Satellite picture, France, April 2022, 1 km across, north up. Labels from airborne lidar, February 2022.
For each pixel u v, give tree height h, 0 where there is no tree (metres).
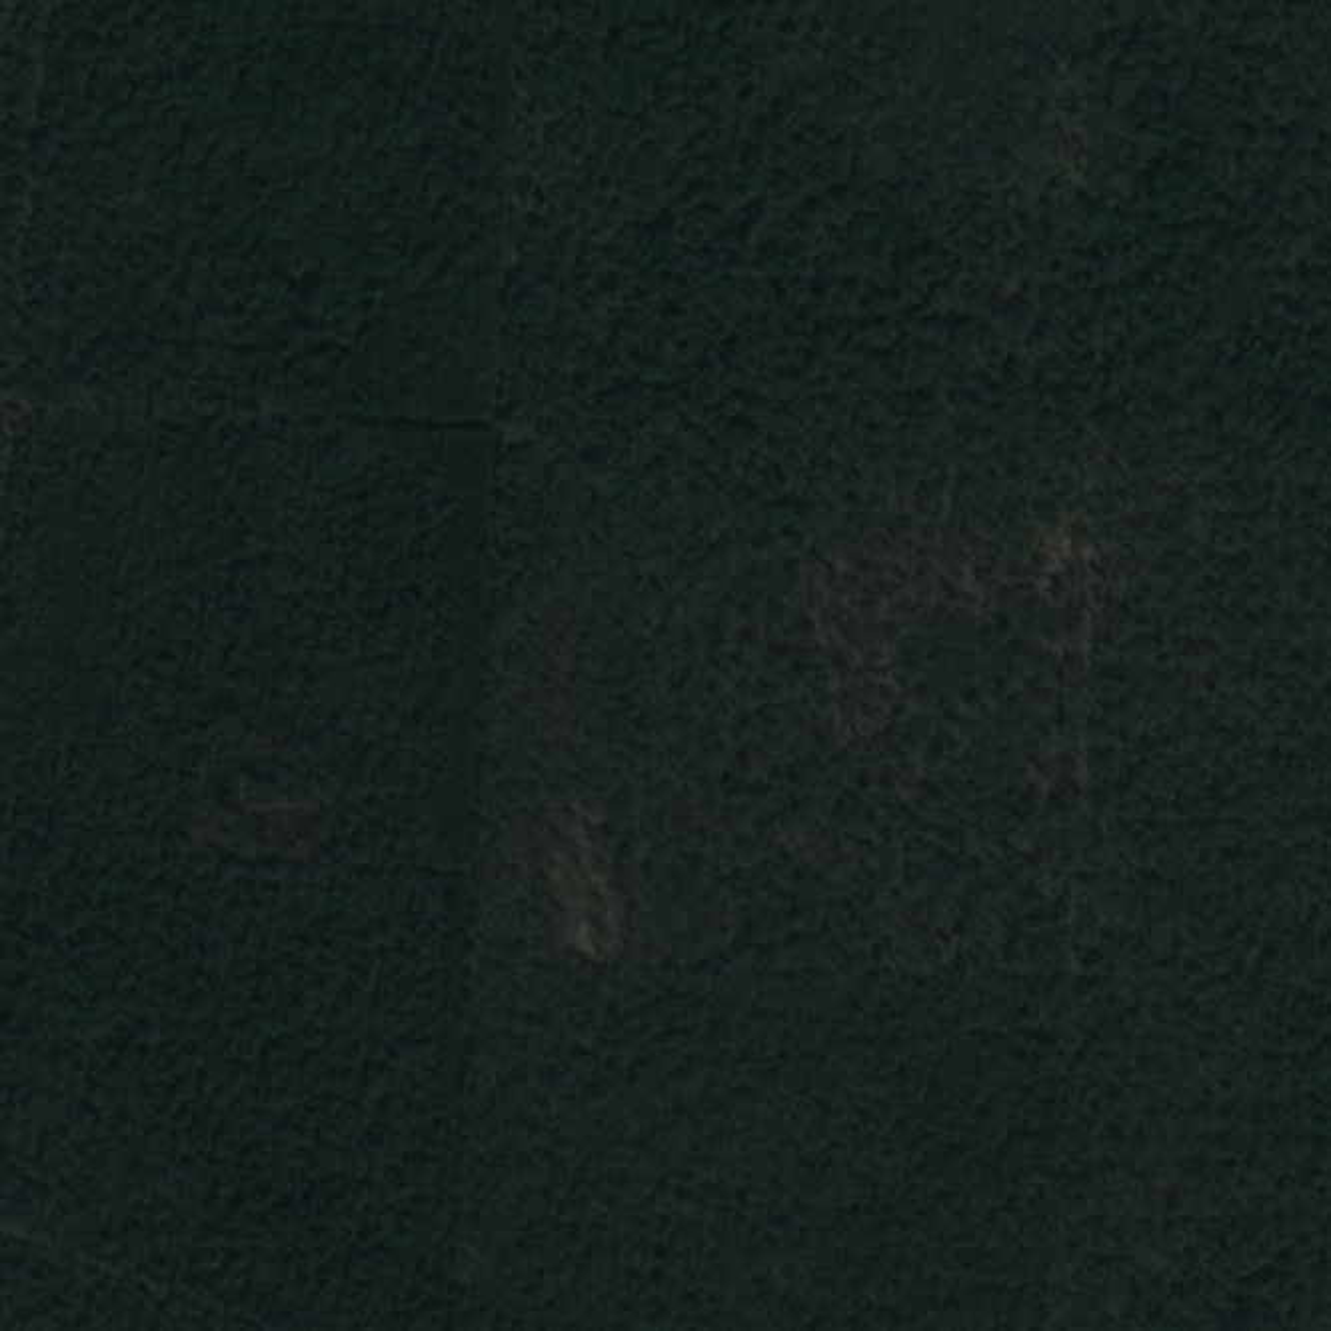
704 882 16
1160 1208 19
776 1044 17
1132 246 19
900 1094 18
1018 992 14
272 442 17
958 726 19
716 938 18
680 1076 16
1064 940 18
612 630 16
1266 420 18
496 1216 18
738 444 21
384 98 14
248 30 22
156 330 10
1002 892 20
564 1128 15
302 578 15
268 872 15
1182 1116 19
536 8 19
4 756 9
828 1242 18
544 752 18
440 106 16
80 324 15
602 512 22
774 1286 19
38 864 15
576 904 0
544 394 14
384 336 11
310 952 17
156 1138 18
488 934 15
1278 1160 15
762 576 19
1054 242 19
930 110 11
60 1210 18
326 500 16
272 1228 18
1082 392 20
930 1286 16
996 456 19
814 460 19
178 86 18
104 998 20
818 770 18
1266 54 18
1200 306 12
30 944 18
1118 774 16
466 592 8
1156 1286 20
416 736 19
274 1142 17
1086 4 10
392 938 12
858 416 15
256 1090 16
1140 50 24
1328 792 18
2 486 12
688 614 18
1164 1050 19
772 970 19
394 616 16
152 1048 18
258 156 13
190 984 17
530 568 20
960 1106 17
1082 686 19
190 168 20
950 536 14
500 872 14
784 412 20
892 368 20
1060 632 14
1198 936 15
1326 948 16
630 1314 18
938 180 18
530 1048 17
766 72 12
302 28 21
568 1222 14
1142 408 18
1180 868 8
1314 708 20
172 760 12
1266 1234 19
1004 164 12
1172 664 16
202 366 19
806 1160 22
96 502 11
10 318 17
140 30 16
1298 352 13
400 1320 14
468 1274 16
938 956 19
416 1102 14
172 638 10
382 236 20
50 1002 15
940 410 23
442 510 17
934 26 11
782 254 19
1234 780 16
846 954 21
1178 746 16
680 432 18
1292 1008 19
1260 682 17
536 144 15
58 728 12
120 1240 14
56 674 10
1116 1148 17
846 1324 19
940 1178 18
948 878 21
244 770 9
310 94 21
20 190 15
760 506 18
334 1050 18
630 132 17
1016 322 21
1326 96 16
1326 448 16
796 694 15
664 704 19
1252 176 21
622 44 20
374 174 22
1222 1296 21
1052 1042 17
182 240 18
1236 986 20
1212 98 22
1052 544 0
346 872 18
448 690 22
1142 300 19
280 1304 15
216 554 11
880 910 21
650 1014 20
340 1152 17
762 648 16
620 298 15
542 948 14
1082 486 11
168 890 16
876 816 16
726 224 0
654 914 18
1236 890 20
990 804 16
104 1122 19
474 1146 17
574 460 23
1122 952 15
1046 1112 17
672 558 18
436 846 10
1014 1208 18
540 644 17
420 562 15
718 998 14
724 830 18
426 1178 16
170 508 7
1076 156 16
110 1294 11
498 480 10
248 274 19
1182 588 17
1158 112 20
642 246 16
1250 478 7
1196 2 20
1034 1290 16
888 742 7
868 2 9
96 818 16
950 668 9
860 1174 21
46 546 11
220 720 18
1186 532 13
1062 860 16
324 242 22
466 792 9
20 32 18
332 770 19
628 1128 15
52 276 20
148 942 18
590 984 12
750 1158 17
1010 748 7
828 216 17
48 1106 19
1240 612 18
